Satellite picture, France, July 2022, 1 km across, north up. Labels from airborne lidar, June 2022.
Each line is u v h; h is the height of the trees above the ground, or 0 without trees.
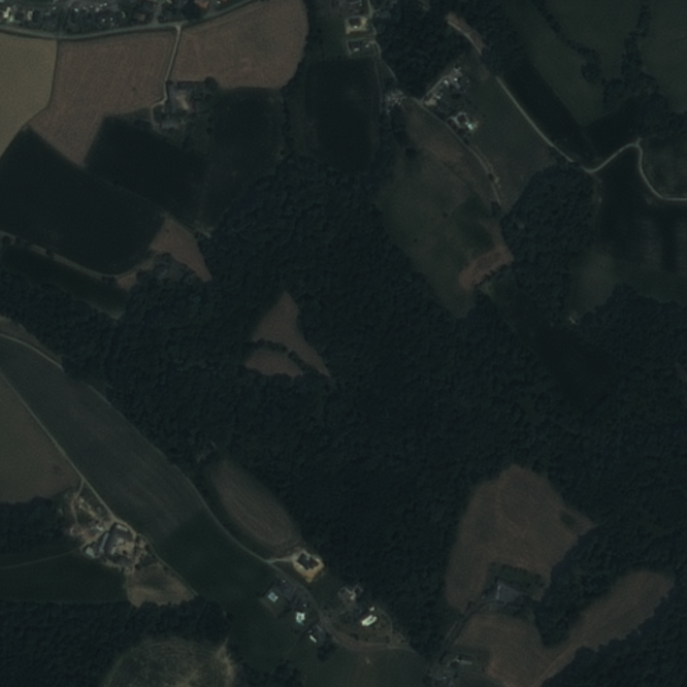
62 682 14
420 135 0
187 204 0
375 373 36
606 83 12
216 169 0
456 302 0
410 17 26
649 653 28
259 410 24
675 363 23
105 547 0
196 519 0
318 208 36
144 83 0
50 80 0
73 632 10
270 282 32
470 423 34
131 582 0
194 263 0
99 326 19
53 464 0
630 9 0
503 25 26
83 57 0
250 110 0
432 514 29
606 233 0
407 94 18
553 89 0
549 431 17
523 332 0
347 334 33
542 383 12
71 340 24
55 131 0
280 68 0
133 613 15
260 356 0
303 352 0
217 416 29
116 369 28
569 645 0
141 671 0
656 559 16
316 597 0
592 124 0
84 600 0
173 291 10
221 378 32
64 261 0
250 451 27
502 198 0
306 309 29
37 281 0
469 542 0
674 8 0
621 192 0
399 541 8
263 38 0
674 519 26
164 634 13
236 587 0
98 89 0
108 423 0
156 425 27
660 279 0
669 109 18
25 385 0
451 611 0
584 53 16
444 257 0
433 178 0
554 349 0
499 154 0
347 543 24
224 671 0
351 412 29
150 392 28
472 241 0
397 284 22
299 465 32
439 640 13
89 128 0
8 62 0
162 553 0
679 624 28
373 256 24
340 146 0
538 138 0
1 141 0
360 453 20
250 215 39
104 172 0
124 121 0
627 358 26
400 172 0
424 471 27
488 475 16
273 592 0
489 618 0
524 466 9
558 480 15
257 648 0
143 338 29
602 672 25
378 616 0
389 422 27
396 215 0
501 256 0
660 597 0
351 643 0
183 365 36
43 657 15
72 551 0
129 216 0
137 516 0
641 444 29
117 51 0
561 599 21
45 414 0
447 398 26
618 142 0
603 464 30
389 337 24
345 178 9
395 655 0
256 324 25
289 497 14
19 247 8
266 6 0
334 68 0
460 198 0
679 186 0
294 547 0
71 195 0
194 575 0
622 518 33
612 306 21
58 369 0
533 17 0
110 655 12
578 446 7
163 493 0
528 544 0
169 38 0
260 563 0
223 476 0
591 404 0
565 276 30
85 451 0
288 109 11
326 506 30
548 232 26
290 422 35
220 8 0
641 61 6
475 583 0
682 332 21
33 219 0
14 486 0
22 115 0
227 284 34
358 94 0
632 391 25
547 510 0
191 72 0
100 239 0
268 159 0
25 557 0
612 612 0
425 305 21
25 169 0
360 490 23
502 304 0
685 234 0
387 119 12
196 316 35
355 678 0
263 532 0
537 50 0
